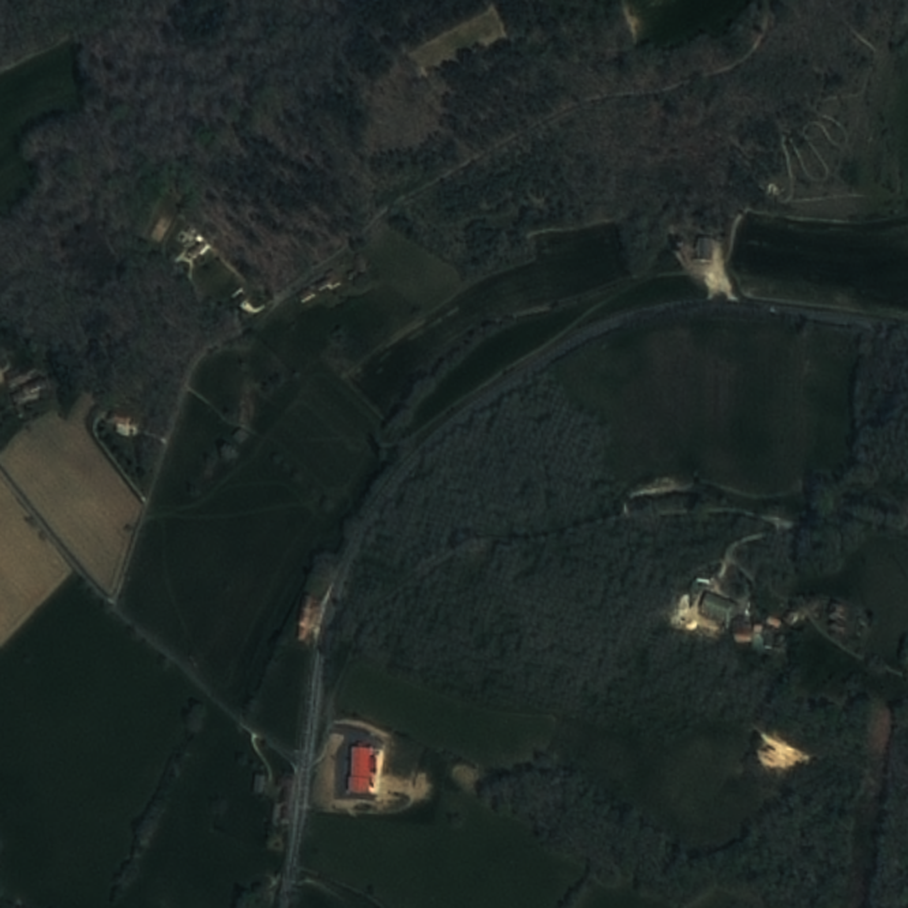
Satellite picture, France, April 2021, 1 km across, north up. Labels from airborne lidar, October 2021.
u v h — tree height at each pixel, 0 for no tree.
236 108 19
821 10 16
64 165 22
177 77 12
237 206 19
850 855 22
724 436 0
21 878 0
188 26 15
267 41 15
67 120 16
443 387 0
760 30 14
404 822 0
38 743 0
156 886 0
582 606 10
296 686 0
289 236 26
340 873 0
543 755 7
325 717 0
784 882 26
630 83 22
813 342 0
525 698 7
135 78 8
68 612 0
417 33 20
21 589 0
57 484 0
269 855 0
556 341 0
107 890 0
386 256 0
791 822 25
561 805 20
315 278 8
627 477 0
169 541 0
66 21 21
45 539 8
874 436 21
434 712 0
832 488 19
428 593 8
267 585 0
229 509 0
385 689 0
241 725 0
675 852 12
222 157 16
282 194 26
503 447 13
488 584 9
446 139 9
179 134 15
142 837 19
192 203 17
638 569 12
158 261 16
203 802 0
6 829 0
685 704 9
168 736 0
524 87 21
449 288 0
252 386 0
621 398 0
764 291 0
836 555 18
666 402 0
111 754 0
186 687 0
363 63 22
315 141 22
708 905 0
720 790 0
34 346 15
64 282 23
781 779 8
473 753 0
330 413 0
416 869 0
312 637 0
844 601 0
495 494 14
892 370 14
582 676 10
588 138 16
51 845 0
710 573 7
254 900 16
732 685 11
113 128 10
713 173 16
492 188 15
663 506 10
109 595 0
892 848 26
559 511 11
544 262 0
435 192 9
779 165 7
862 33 7
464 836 0
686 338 0
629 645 9
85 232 8
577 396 0
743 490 0
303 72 16
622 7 14
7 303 16
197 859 0
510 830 0
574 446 13
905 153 0
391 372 0
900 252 0
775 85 10
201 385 0
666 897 20
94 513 0
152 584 0
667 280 0
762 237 0
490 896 0
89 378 18
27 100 0
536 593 15
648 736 7
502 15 19
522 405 9
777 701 20
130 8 16
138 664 0
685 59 14
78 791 0
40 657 0
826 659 0
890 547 0
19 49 18
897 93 0
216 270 0
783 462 0
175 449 0
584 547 7
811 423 0
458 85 25
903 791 15
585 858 23
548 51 12
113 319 19
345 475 0
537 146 16
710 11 0
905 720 22
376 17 26
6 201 0
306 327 0
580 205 18
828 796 16
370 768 0
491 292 0
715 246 0
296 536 0
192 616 0
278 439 0
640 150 13
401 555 9
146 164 18
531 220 16
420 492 11
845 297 0
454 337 0
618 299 0
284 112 12
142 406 21
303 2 9
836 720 23
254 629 0
